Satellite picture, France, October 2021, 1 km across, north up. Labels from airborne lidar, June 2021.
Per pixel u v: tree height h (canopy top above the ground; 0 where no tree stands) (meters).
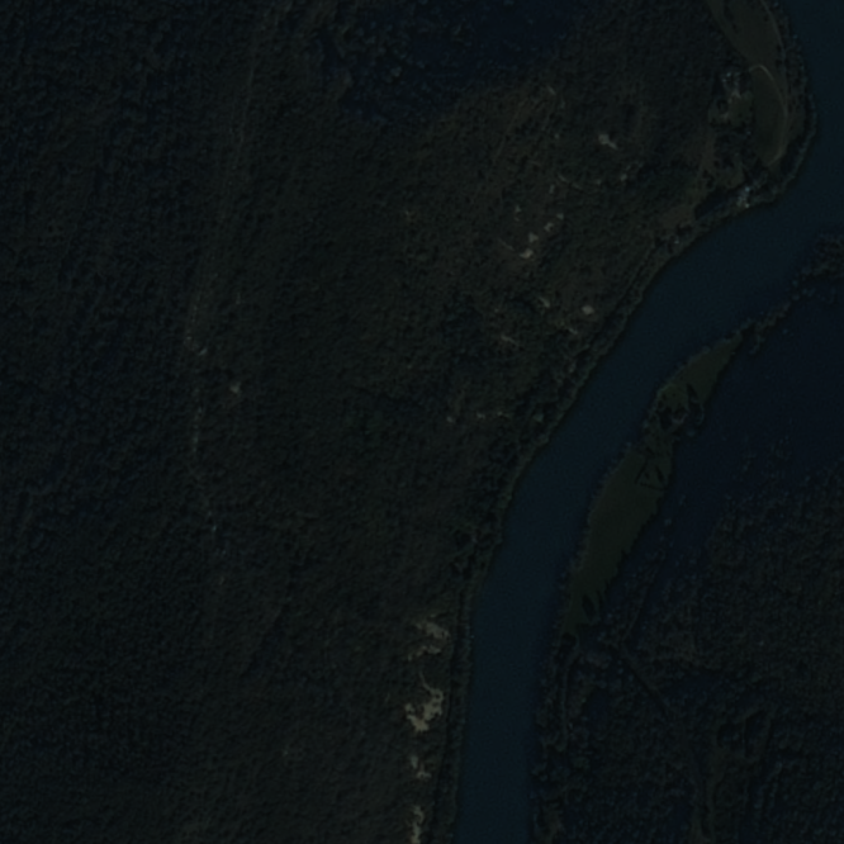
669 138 14
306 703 15
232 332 16
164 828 9
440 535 7
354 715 10
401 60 16
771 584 9
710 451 18
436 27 23
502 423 8
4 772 8
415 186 7
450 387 24
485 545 11
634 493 0
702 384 0
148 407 8
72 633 12
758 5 7
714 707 21
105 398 12
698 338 0
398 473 11
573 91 12
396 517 17
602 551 0
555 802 8
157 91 12
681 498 17
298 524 17
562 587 14
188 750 9
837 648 20
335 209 17
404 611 18
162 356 7
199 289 5
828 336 17
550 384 22
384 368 7
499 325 7
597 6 15
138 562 8
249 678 18
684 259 0
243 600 9
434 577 6
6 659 14
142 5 19
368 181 16
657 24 8
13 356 17
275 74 8
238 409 14
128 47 6
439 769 8
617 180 7
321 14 6
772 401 15
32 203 11
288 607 18
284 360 21
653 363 0
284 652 16
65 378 8
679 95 9
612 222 10
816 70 0
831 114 0
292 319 14
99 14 12
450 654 7
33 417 8
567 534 0
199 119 6
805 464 9
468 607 9
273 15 9
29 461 7
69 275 13
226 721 9
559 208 9
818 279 10
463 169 9
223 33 12
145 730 18
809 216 0
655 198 6
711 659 14
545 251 6
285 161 11
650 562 14
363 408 18
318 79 6
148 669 6
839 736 20
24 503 8
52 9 10
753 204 9
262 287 9
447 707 6
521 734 0
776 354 12
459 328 18
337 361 21
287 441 17
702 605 10
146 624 5
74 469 6
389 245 16
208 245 6
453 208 8
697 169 6
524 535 0
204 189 9
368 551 10
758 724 13
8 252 14
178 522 9
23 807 9
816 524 15
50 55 17
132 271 6
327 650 20
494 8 28
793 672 13
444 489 15
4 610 10
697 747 16
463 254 7
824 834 14
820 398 21
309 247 16
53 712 6
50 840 12
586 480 0
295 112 13
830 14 0
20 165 16
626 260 14
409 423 14
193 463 6
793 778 16
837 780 17
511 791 0
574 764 11
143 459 9
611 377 0
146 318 6
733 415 13
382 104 20
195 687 7
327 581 12
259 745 12
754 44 0
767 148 0
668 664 8
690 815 11
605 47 10
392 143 16
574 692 19
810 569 16
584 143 6
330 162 8
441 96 22
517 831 0
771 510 7
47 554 13
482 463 18
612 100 7
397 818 14
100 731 6
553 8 22
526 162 8
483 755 0
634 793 17
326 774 15
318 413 20
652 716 14
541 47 13
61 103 13
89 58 16
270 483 18
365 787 10
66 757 13
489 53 24
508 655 0
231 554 10
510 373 14
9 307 12
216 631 9
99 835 12
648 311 0
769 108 0
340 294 18
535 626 0
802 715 23
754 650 20
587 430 0
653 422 9
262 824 11
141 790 7
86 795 9
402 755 9
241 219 7
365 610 13
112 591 8
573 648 12
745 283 0
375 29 13
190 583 7
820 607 17
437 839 16
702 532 15
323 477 22
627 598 14
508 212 9
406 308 8
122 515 15
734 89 11
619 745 15
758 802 13
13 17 8
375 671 20
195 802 6
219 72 12
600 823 14
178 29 10
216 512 11
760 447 16
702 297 0
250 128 8
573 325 9
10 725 6
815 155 0
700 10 7
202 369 7
